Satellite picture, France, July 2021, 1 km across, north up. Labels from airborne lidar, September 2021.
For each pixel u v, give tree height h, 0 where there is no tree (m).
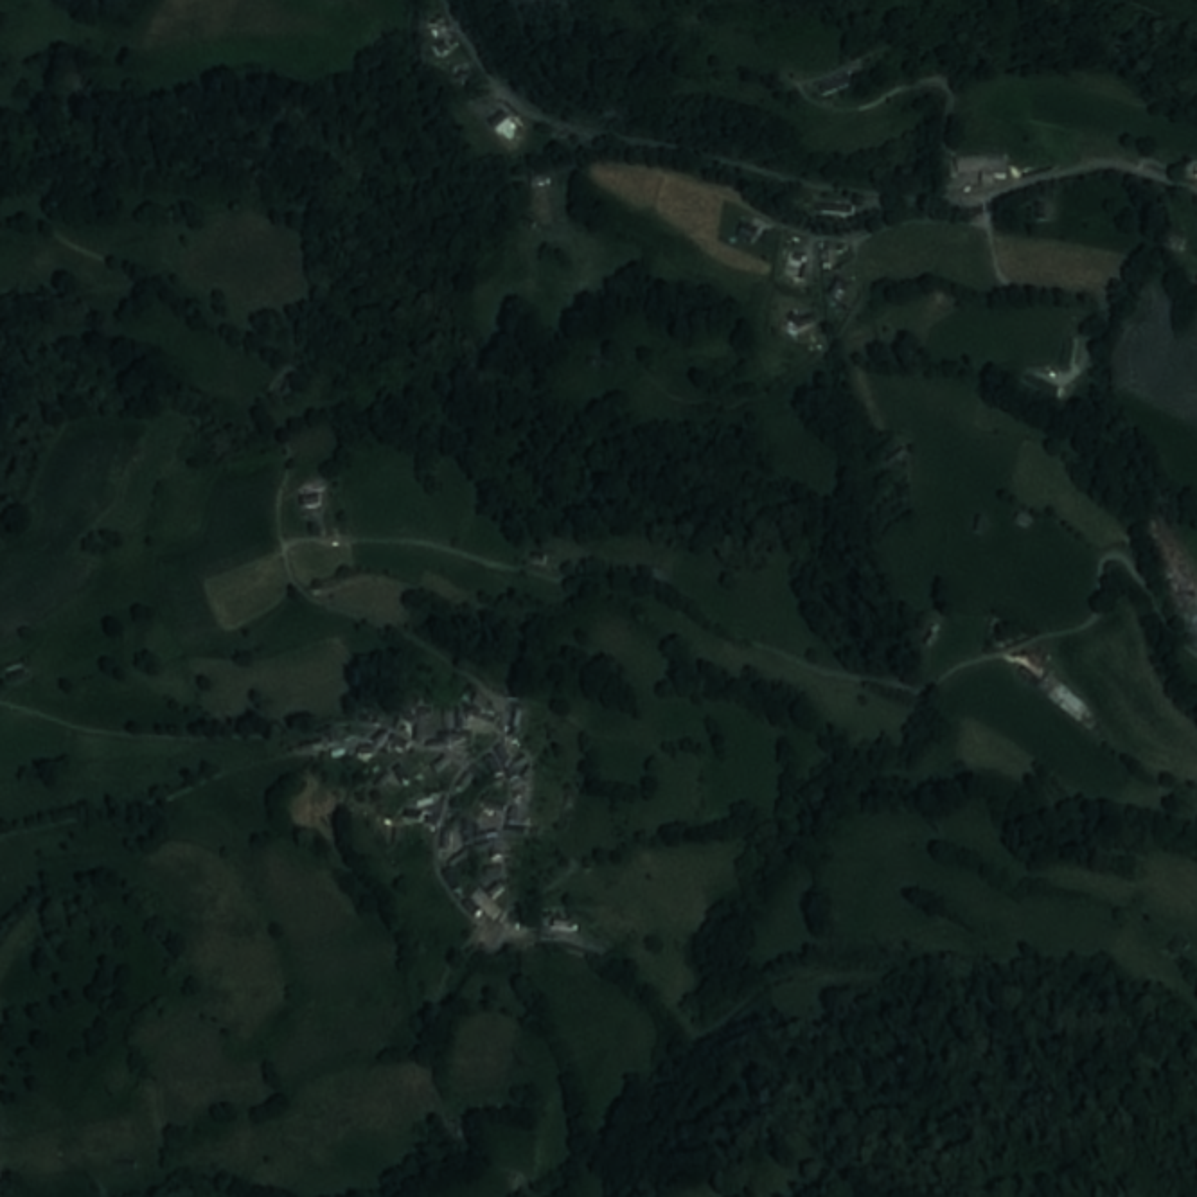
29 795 0
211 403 17
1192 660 0
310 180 18
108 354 26
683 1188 20
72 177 22
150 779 0
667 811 0
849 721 0
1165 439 0
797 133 17
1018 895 12
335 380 8
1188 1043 17
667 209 0
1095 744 0
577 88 17
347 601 0
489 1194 0
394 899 17
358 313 8
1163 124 0
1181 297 11
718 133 21
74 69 20
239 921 0
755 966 11
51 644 0
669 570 0
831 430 17
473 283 22
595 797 18
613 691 22
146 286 16
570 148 6
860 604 12
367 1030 0
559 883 0
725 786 0
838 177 12
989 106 0
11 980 0
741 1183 22
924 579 0
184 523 0
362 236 7
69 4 20
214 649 0
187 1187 7
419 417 22
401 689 20
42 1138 0
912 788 13
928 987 12
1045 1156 8
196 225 10
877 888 0
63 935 14
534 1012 17
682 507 15
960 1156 22
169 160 17
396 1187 17
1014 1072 11
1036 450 0
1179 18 11
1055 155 0
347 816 20
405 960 14
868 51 13
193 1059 0
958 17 7
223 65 0
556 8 13
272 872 0
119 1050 0
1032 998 22
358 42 0
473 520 0
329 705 0
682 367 0
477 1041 0
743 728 0
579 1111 19
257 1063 0
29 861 0
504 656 23
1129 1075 7
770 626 0
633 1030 0
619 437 10
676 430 14
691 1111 17
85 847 0
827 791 12
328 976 0
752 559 16
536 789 0
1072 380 0
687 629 0
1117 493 27
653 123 9
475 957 15
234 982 0
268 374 0
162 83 0
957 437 0
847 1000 27
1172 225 7
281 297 0
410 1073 0
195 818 0
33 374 19
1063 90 0
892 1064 7
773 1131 23
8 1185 15
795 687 10
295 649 0
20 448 21
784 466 0
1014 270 0
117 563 0
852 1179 22
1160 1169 9
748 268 0
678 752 12
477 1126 15
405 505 0
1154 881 0
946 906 23
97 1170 0
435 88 24
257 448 15
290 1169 0
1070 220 0
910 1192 22
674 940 0
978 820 0
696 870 0
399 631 12
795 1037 25
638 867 0
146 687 0
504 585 0
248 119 24
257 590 0
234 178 23
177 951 21
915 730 15
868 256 0
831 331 16
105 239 0
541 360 24
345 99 14
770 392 7
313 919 0
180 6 0
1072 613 0
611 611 0
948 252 0
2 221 8
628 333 0
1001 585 0
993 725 0
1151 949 0
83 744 0
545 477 23
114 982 18
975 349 0
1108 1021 22
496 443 16
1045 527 0
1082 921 0
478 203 24
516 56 15
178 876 0
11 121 26
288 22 0
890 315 0
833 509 20
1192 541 0
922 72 8
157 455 0
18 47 0
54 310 23
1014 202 18
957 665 0
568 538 20
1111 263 0
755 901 11
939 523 0
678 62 16
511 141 0
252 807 0
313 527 11
